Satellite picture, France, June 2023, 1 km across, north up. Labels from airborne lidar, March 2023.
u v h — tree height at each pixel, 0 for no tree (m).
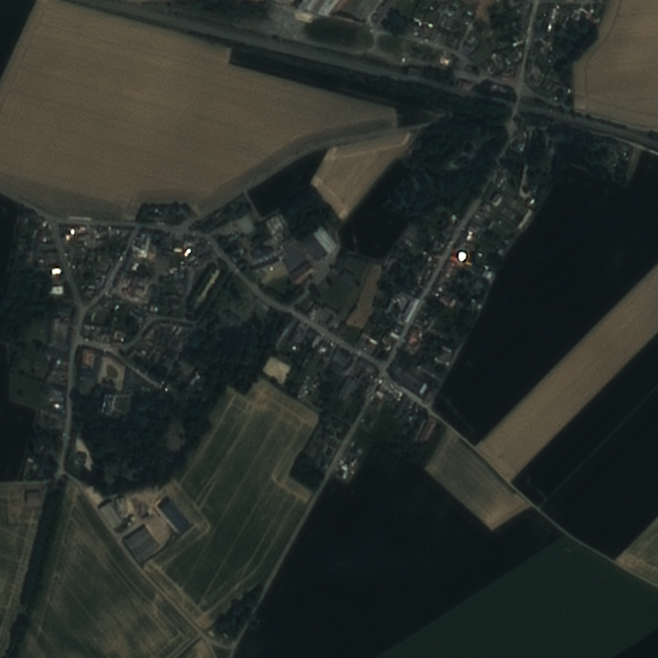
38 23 0
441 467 0
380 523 0
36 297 11
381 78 7
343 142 0
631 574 0
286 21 0
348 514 0
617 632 0
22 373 7
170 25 0
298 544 0
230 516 0
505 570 0
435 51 0
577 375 0
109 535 0
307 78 0
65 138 0
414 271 10
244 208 8
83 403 21
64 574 0
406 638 0
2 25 0
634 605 0
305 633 0
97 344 0
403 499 0
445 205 9
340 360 0
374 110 0
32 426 0
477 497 0
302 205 21
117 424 20
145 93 0
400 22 15
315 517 0
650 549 0
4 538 0
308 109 0
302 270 0
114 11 0
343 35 0
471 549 0
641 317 0
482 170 24
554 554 0
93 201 0
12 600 0
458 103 10
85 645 0
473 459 0
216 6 0
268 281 0
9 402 0
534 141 14
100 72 0
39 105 0
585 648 0
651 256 0
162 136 0
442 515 0
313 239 0
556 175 17
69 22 0
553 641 0
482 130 24
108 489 11
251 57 0
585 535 0
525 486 0
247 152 0
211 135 0
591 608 0
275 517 0
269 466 0
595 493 0
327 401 11
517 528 0
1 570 0
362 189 0
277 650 0
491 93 13
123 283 0
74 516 0
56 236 0
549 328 0
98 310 0
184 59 0
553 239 0
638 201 0
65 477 6
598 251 0
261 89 0
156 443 21
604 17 0
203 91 0
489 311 0
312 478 15
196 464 0
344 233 0
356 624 0
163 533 0
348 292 0
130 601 0
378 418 0
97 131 0
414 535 0
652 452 0
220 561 0
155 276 0
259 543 0
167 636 0
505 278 0
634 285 0
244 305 0
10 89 0
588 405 0
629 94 0
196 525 0
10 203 0
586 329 0
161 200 0
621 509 0
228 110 0
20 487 0
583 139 20
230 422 0
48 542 16
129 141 0
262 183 0
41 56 0
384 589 0
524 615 0
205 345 19
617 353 0
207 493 0
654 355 0
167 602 0
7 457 0
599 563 0
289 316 7
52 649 0
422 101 0
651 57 0
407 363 12
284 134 0
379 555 0
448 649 0
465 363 0
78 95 0
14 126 0
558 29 15
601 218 0
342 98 0
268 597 0
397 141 0
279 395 0
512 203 0
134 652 0
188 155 0
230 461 0
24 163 0
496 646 0
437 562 0
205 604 0
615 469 0
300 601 0
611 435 0
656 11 0
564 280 0
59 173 0
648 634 0
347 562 0
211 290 8
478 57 0
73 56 0
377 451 0
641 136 0
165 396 14
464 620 0
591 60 0
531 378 0
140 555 0
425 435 0
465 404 0
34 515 0
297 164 0
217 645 0
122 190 0
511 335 0
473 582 0
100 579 0
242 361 15
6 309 13
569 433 0
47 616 0
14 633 13
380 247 0
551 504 0
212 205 0
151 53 0
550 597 0
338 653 0
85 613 0
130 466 10
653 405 0
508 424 0
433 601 0
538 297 0
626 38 0
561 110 10
